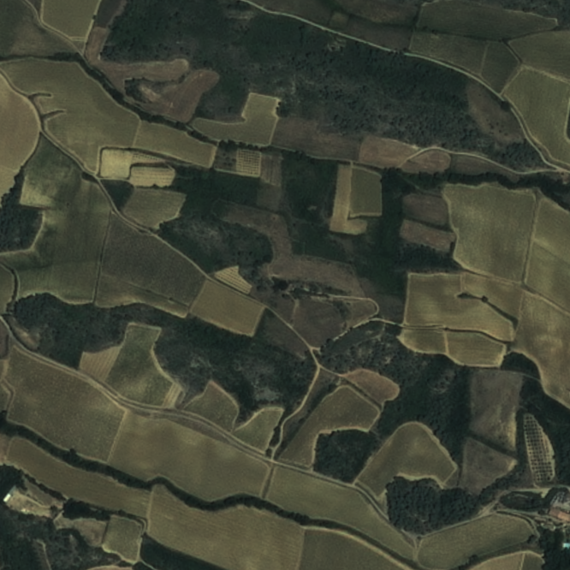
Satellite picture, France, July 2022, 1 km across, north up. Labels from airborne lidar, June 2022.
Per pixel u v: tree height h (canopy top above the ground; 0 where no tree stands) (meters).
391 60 14
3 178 0
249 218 0
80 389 0
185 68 0
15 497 0
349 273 0
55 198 0
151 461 0
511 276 0
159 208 0
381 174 13
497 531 0
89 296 0
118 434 0
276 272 0
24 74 0
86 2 0
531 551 0
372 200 0
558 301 0
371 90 6
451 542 0
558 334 0
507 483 10
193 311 0
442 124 12
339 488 0
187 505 11
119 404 0
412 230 0
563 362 0
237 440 0
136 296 0
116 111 0
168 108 0
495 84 0
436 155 0
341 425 0
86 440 0
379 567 0
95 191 0
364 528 0
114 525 0
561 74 0
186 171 8
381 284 0
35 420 0
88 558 0
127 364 0
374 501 0
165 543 0
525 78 0
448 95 10
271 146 7
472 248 0
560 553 20
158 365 0
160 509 0
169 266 0
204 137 11
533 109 0
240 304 0
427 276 0
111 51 8
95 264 0
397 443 0
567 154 0
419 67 10
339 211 0
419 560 0
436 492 13
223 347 8
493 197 0
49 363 0
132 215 0
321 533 0
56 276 0
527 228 0
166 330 0
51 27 0
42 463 0
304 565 0
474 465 0
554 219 0
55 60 7
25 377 0
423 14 0
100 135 0
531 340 0
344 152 0
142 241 0
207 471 0
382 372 9
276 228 0
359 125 7
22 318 7
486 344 0
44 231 0
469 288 0
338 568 0
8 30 0
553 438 6
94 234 0
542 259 0
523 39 0
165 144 0
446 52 0
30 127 0
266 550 0
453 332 0
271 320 0
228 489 0
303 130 0
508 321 0
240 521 0
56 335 6
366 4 0
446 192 0
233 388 6
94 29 0
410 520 15
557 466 6
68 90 0
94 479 0
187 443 0
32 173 0
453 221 0
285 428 0
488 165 0
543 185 8
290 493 0
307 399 0
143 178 0
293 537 0
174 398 0
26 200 0
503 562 0
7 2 0
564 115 0
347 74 6
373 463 0
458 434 8
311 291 7
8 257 0
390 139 0
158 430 0
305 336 0
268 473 0
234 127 0
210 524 0
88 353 0
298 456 0
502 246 0
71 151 0
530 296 0
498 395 0
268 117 0
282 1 0
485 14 0
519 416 10
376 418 0
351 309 0
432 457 0
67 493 0
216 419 0
